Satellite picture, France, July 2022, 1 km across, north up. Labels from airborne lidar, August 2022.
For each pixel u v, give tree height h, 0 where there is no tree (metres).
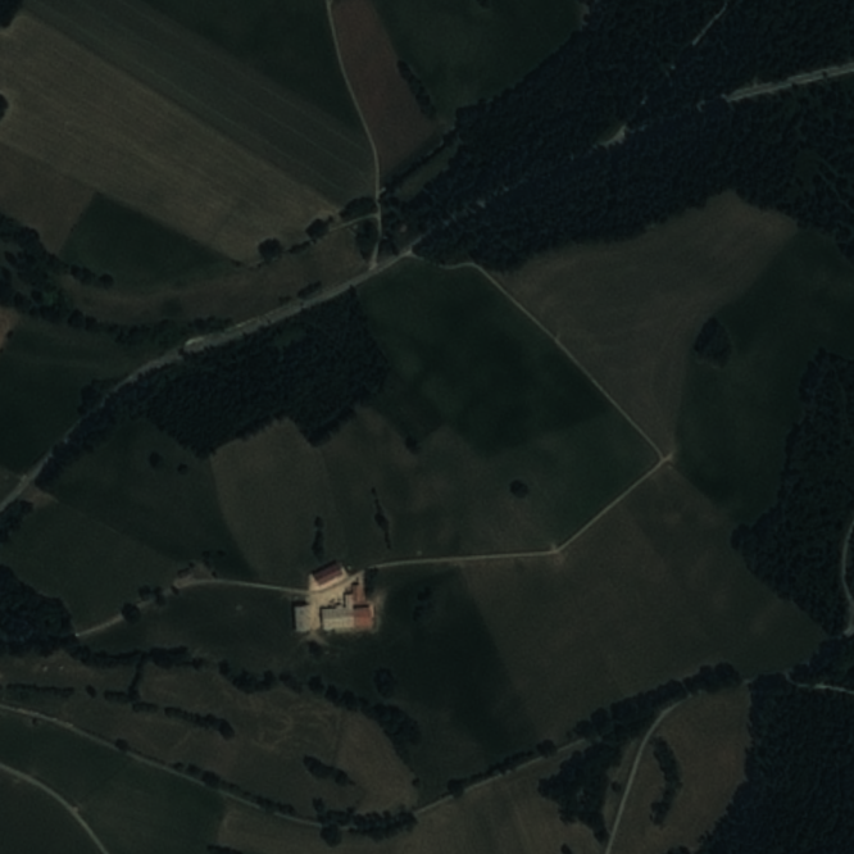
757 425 0
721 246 0
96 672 0
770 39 13
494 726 0
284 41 0
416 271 0
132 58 0
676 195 25
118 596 0
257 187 0
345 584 0
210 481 0
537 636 0
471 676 0
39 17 0
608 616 0
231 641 0
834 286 0
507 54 0
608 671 0
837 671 24
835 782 18
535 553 0
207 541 0
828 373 11
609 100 21
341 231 0
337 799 0
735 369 0
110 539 0
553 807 0
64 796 0
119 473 0
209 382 11
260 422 12
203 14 0
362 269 0
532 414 0
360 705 14
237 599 0
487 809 0
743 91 0
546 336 0
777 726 7
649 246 0
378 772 0
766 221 0
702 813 0
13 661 0
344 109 0
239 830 0
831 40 10
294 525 0
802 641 0
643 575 0
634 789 0
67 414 0
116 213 0
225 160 0
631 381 0
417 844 0
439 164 0
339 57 0
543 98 12
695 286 0
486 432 0
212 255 0
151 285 0
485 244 18
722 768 0
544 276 0
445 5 0
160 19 0
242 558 0
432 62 0
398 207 8
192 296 0
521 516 0
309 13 0
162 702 0
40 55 0
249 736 0
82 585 0
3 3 15
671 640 0
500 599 0
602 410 0
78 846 0
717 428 0
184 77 0
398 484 0
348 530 0
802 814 12
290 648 0
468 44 0
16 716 0
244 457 0
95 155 0
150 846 0
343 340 9
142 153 0
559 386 0
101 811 0
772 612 0
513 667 0
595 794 18
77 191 0
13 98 0
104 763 0
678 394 0
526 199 25
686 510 0
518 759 10
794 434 11
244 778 0
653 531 0
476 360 0
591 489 0
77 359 0
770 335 0
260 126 0
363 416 0
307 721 0
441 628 0
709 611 0
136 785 0
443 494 0
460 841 0
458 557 0
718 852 23
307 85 0
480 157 9
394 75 0
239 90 0
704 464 0
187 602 0
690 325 0
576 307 0
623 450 0
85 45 0
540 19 0
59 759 0
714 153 23
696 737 0
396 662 0
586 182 23
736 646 0
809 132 13
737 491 0
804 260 0
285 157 0
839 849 20
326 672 0
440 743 0
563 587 0
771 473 0
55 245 0
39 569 0
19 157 0
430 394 0
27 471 0
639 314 0
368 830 15
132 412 13
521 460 0
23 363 0
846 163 15
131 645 0
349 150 0
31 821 0
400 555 0
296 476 0
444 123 0
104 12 0
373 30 0
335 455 0
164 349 7
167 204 0
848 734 17
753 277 0
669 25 8
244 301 0
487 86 0
